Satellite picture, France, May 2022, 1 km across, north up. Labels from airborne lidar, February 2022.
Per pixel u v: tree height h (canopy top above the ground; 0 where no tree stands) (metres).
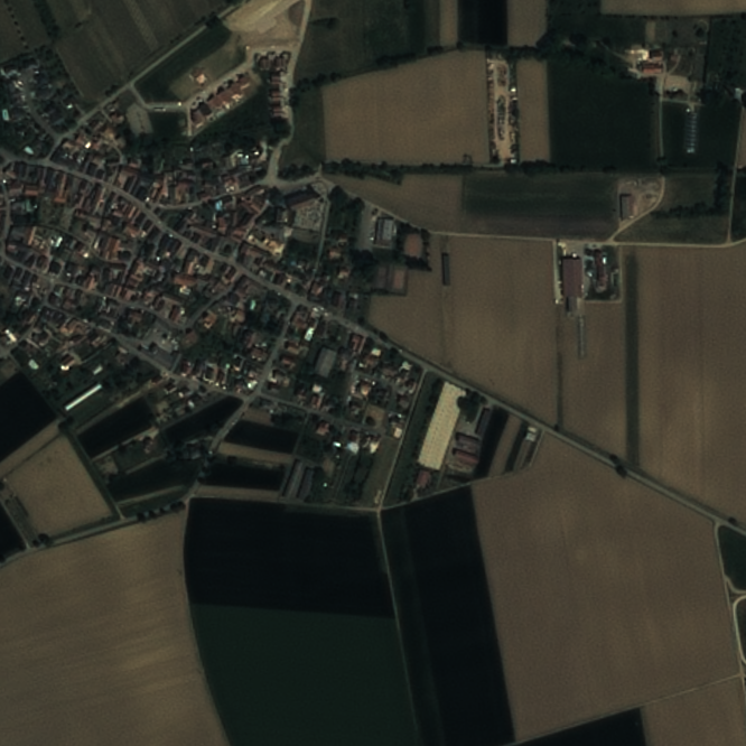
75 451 0
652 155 0
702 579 0
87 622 0
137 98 0
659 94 6
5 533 0
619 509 0
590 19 0
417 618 0
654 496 0
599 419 0
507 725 0
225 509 0
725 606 0
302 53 0
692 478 0
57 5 0
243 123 0
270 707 0
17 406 0
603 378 0
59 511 0
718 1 0
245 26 0
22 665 0
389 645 0
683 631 0
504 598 0
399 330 0
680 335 0
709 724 0
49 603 0
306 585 0
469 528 0
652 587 0
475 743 0
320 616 0
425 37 0
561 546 0
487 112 0
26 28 0
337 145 0
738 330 0
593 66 16
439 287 0
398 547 0
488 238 0
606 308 0
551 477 0
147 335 0
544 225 0
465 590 0
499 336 0
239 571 0
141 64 0
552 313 0
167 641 0
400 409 7
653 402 0
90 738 0
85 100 0
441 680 0
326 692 0
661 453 0
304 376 6
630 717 0
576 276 0
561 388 0
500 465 0
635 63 0
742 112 0
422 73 0
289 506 0
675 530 0
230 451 0
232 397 0
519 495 0
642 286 0
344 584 0
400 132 0
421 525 0
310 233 0
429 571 0
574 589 0
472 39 0
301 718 0
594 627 0
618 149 0
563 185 0
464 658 0
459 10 0
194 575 0
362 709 0
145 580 0
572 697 0
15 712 0
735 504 0
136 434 0
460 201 0
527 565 0
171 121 0
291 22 0
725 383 0
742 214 0
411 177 0
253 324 6
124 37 0
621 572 0
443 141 0
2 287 0
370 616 0
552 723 0
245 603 0
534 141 0
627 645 0
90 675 0
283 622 0
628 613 0
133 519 0
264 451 0
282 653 0
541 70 0
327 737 0
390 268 0
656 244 0
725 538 0
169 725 0
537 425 0
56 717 0
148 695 0
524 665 0
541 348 0
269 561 0
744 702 0
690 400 0
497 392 0
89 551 0
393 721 0
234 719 0
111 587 0
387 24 0
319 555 0
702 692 0
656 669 0
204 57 0
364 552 0
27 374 0
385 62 13
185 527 0
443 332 0
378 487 0
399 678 0
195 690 0
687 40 0
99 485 0
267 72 0
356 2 0
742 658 0
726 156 0
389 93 0
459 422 0
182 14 0
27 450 0
